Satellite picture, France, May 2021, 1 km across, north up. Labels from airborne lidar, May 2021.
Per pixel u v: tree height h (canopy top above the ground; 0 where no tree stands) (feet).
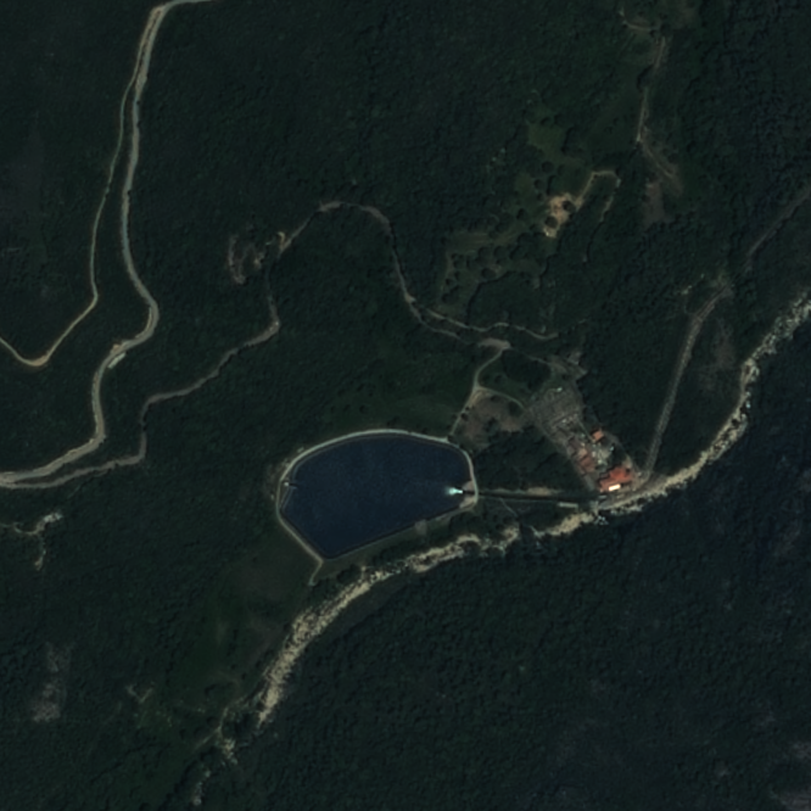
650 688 23
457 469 0
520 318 37
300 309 38
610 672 22
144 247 38
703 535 28
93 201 21
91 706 31
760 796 19
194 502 32
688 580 18
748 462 20
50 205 24
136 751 55
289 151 27
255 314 30
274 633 0
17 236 20
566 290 30
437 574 35
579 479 35
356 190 56
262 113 37
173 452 36
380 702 32
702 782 19
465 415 40
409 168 41
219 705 0
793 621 44
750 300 45
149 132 26
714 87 26
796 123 59
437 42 36
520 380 33
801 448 21
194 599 34
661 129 47
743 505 29
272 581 0
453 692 38
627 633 22
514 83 49
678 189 0
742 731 24
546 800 31
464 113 35
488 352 45
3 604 19
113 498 35
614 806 19
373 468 0
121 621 46
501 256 40
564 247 45
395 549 42
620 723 17
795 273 25
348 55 35
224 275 37
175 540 20
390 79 25
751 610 24
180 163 21
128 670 21
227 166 26
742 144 22
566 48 38
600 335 35
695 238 46
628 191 18
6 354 22
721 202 28
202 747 0
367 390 27
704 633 31
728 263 40
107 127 22
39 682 20
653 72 45
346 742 31
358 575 34
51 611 37
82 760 28
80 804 60
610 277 40
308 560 0
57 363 21
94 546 37
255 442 32
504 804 26
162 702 23
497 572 45
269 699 0
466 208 31
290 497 0
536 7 26
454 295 41
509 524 52
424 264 26
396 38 27
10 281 23
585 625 21
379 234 40
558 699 17
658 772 22
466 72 34
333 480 0
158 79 24
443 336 28
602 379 27
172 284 36
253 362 48
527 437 36
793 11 57
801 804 0
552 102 50
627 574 34
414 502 0
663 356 23
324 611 0
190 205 28
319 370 28
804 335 54
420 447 0
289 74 25
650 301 41
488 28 36
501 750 36
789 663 44
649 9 28
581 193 0
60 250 25
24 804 21
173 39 28
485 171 19
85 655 51
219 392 48
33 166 0
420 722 44
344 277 55
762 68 52
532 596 21
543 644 32
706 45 31
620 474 0
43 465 34
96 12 19
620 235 34
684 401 36
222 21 18
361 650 35
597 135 0
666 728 23
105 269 18
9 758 34
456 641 39
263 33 21
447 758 44
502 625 32
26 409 20
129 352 29
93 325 23
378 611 22
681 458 53
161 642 44
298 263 39
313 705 28
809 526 18
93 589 44
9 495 22
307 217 30
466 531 60
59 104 20
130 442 25
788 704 20
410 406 0
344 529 0
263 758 23
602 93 46
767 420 18
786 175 46
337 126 40
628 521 26
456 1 18
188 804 27
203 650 0
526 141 30
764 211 45
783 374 19
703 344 32
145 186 19
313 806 40
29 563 20
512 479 22
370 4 46
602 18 44
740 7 41
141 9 23
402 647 20
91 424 20
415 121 19
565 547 79
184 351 26
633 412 23
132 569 38
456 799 34
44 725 21
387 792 31
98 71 19
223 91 36
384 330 35
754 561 36
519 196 34
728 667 32
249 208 40
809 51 37
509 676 27
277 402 27
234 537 20
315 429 24
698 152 74
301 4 20
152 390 20
